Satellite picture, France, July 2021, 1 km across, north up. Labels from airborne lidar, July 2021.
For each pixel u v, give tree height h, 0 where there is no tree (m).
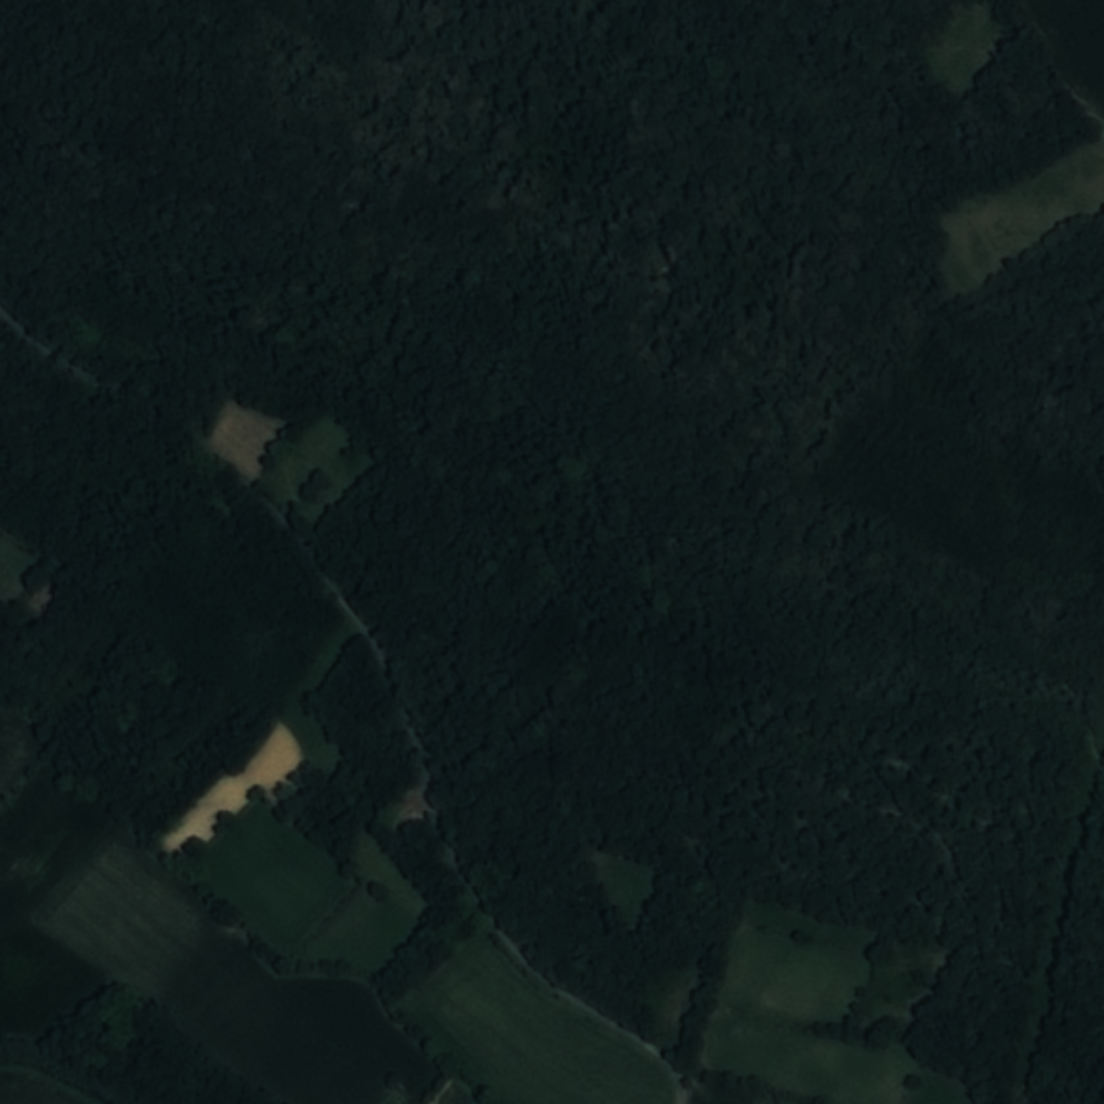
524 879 25
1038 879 31
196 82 10
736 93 20
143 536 24
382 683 26
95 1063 32
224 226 16
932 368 8
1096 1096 24
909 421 8
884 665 16
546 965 23
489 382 28
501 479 29
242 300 37
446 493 26
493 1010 0
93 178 26
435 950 26
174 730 28
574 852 25
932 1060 25
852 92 17
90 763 28
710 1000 22
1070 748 21
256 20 17
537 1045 0
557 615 32
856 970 0
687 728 21
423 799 0
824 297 24
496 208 23
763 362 19
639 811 25
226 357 30
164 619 17
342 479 0
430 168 22
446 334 22
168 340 24
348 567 14
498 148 21
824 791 15
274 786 0
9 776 0
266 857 0
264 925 0
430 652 24
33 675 31
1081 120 21
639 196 29
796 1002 0
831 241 29
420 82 24
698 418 23
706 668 27
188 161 14
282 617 17
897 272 22
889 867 28
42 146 25
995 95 27
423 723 18
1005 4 15
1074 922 25
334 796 19
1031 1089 22
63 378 26
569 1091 0
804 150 24
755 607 24
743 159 28
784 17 22
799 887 23
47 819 0
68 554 23
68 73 23
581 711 25
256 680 16
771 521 20
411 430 29
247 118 16
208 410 26
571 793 22
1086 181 0
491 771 23
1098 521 11
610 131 12
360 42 15
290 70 22
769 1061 0
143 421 24
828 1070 0
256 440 0
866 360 17
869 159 11
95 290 15
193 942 0
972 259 0
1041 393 14
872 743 27
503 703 29
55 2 17
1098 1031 17
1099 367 19
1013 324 20
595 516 26
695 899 23
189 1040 23
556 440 19
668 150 21
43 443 20
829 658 16
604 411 22
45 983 0
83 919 0
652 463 26
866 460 13
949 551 8
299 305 33
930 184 14
